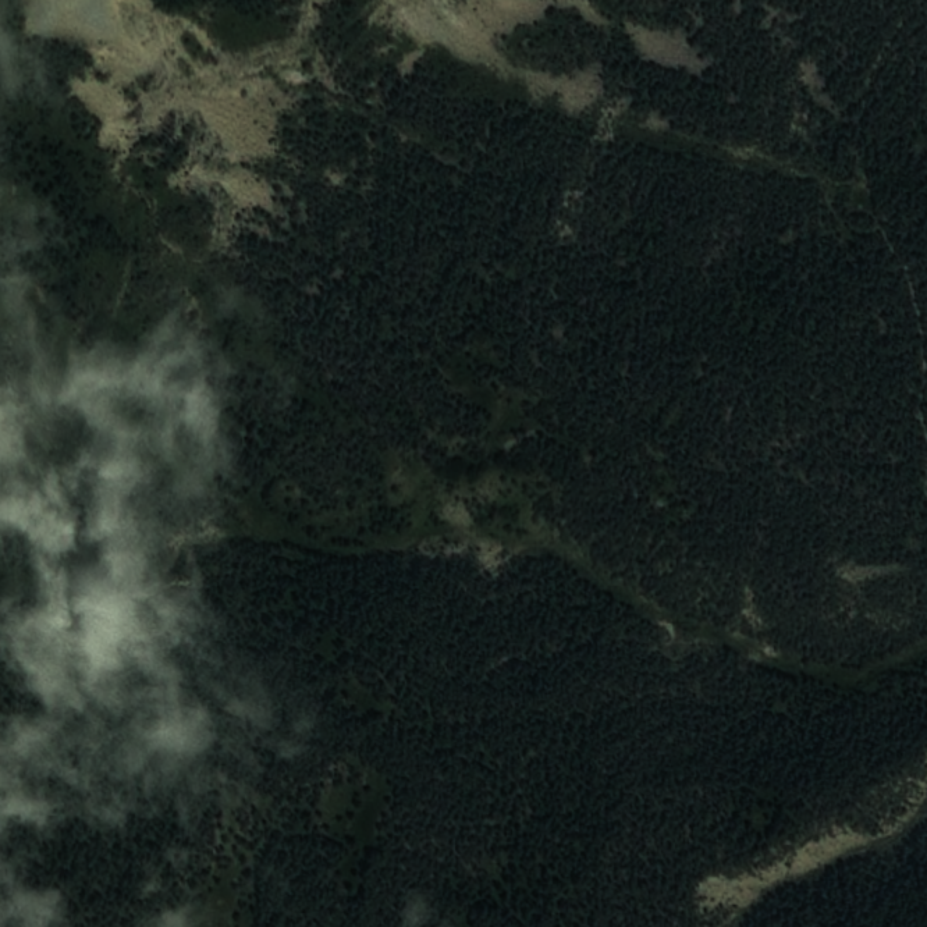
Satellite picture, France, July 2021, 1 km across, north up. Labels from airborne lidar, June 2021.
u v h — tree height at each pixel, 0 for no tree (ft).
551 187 70
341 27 25
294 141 38
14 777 62
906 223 50
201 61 0
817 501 51
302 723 67
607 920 54
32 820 60
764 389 78
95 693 81
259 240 77
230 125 0
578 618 50
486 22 0
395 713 40
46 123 35
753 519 35
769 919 46
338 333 46
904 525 28
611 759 52
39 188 57
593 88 0
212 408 57
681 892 54
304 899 94
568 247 22
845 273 92
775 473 33
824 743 74
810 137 24
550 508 39
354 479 25
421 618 76
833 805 35
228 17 0
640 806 62
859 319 50
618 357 75
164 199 0
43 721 70
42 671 53
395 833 33
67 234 66
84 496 61
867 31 30
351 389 67
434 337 50
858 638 36
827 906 57
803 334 71
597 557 40
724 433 47
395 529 26
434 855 49
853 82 36
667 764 37
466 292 83
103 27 0
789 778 61
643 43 0
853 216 38
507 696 51
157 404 19
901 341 53
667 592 28
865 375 67
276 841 78
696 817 64
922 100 46
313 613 75
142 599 17
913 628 31
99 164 27
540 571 28
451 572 41
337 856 88
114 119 0
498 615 80
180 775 67
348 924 70
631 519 31
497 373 55
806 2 27
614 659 52
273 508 39
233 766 55
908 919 66
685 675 20
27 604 50
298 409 42
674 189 44
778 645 27
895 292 55
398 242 67
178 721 35
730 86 37
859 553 31
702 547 35
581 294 52
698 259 45
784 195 45
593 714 25
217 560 31
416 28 0
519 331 56
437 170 72
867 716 58
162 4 28
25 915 70
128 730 67
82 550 83
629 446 24
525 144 53
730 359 39
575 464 25
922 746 31
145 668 81
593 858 33
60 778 73
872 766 55
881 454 48
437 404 53
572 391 42
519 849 65
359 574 46
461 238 96
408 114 35
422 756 55
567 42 29
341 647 71
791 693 39
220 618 112
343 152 46
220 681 75
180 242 26
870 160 86
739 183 31
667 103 56
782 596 48
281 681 49
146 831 81
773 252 24
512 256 75
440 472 38
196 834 40
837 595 33
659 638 25
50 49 53
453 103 20
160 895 60
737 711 58
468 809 43
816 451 51
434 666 57
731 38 27
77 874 89
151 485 63
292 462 27
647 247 51
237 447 66
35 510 64
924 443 49
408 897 59
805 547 41
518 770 67
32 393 50
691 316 54
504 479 23
